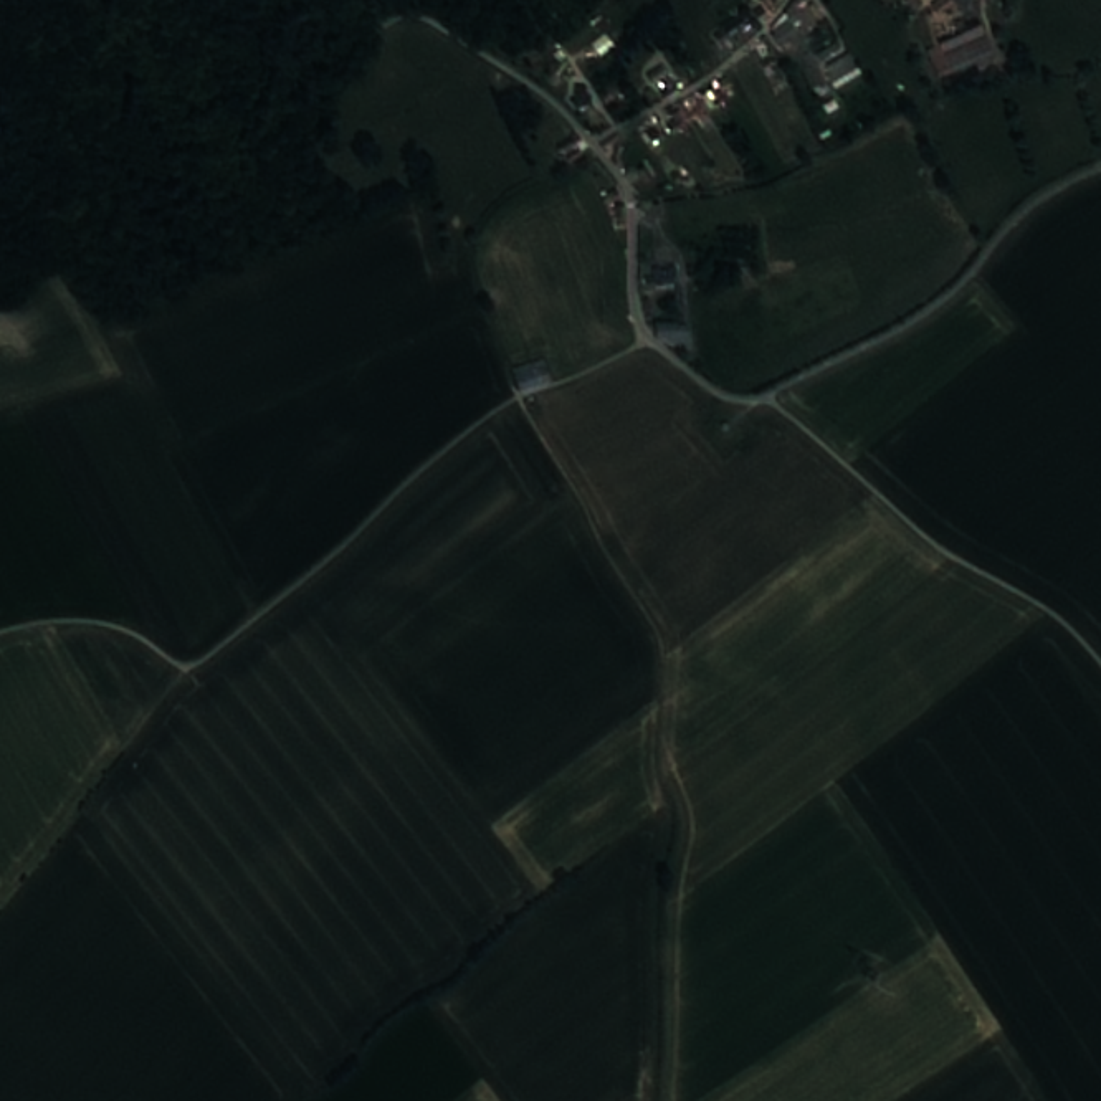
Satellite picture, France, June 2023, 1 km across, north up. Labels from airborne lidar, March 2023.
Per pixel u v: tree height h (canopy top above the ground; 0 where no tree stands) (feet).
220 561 0
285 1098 0
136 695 0
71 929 0
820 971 0
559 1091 0
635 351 0
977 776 0
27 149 81
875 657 0
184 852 0
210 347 0
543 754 0
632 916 0
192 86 88
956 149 0
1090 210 0
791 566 0
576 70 0
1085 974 0
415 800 0
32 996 0
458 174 0
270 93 78
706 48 0
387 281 0
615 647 0
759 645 0
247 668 0
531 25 40
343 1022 0
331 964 0
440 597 0
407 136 0
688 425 0
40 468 0
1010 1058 0
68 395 0
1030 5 0
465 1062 0
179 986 0
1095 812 0
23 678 0
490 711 0
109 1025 0
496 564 0
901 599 0
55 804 0
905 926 0
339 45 75
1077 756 0
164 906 0
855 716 0
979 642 0
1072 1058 0
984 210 0
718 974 0
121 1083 0
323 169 80
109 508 0
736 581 0
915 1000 0
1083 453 0
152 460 0
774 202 0
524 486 0
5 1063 0
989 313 0
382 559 0
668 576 0
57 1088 0
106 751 0
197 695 0
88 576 0
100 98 86
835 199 0
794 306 0
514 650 0
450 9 81
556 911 0
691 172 0
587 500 0
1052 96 0
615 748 0
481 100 0
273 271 0
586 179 0
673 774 0
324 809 0
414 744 0
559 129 0
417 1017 0
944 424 0
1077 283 0
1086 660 0
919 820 0
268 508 0
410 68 0
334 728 0
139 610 0
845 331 0
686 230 0
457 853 0
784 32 0
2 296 81
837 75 0
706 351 0
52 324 0
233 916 0
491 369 0
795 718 0
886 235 0
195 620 0
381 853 0
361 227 0
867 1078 0
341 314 0
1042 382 0
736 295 0
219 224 90
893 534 0
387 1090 0
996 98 0
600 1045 0
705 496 0
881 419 0
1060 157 0
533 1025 0
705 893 0
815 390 0
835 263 0
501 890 0
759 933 0
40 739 0
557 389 0
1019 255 0
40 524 0
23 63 84
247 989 0
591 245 0
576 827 0
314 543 0
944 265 0
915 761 0
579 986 0
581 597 0
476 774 0
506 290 0
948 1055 0
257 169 86
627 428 0
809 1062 0
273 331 0
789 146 0
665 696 0
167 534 0
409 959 0
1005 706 0
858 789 0
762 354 0
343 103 0
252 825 0
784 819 0
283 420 0
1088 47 0
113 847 0
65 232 68
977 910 0
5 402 0
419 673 0
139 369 0
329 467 0
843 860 0
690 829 0
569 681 0
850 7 0
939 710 0
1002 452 0
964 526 0
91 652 0
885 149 0
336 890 0
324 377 0
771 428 0
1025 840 0
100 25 90
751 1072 0
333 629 0
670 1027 0
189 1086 0
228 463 0
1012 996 0
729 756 0
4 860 0
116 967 0
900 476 0
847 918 0
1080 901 0
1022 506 0
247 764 0
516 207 0
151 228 93
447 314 0
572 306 0
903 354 0
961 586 0
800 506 0
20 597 0
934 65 0
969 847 0
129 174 89
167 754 0
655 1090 0
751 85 0
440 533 0
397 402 0
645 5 0
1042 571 0
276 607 0
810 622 0
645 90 0
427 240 0
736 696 0
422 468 0
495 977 0
